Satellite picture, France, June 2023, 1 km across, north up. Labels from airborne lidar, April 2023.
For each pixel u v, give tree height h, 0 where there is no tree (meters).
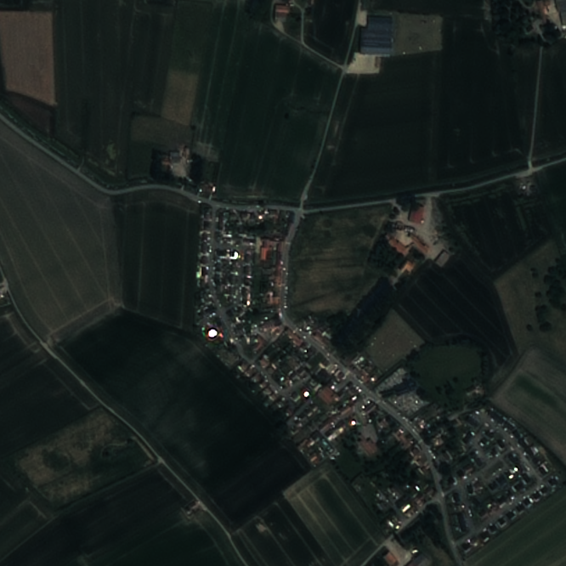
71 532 0
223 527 0
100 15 0
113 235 0
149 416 0
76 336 0
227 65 0
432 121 0
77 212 0
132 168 0
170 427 0
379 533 0
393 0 0
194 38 0
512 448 0
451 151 0
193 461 0
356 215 0
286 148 0
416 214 0
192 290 0
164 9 0
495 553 0
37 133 0
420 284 0
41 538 0
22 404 0
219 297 0
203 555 0
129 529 0
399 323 0
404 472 9
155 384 0
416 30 0
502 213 0
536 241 0
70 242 0
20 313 0
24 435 0
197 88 0
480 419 0
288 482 0
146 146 0
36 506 0
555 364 0
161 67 0
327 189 0
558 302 8
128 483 0
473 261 0
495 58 0
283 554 0
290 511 0
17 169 0
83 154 0
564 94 0
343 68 0
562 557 0
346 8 0
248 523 0
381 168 0
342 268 0
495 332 0
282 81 0
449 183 0
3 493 0
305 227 0
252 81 0
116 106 0
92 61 0
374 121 0
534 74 0
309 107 0
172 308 0
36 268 0
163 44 0
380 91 0
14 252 0
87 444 0
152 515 0
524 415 0
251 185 0
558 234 0
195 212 0
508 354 0
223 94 0
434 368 0
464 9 0
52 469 0
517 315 0
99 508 0
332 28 0
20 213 0
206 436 0
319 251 0
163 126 0
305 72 0
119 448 0
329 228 0
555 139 0
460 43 0
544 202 0
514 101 0
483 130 0
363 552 0
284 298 0
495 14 14
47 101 0
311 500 0
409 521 0
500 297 0
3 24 0
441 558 0
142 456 0
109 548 0
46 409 0
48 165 0
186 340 0
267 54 0
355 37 0
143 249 0
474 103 0
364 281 0
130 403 0
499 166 0
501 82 0
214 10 0
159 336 0
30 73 0
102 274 0
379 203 0
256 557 0
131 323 0
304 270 0
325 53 0
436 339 0
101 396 0
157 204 0
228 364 0
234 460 0
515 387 0
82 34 0
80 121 0
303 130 0
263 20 0
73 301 0
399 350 0
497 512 0
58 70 0
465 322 0
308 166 0
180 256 0
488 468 0
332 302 0
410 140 0
